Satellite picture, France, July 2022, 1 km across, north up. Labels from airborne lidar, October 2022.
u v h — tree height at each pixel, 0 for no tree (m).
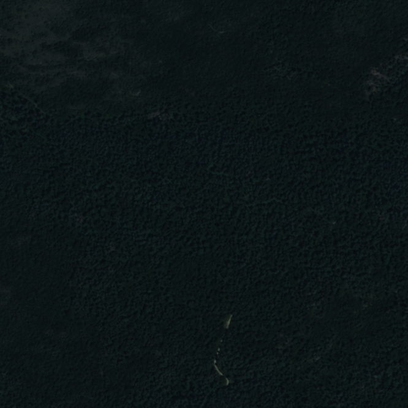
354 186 27
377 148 6
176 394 9
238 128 12
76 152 17
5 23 11
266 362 19
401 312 9
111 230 9
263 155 14
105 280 14
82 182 9
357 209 6
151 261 9
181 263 12
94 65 8
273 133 19
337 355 10
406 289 24
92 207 10
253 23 14
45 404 15
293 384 10
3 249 9
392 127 9
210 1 7
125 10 12
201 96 14
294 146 21
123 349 13
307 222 18
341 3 15
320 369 14
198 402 22
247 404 17
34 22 0
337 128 7
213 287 8
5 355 11
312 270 28
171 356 21
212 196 18
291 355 15
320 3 18
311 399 9
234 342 13
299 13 15
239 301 10
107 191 21
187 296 11
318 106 12
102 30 10
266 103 15
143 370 22
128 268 14
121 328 9
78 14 10
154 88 7
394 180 25
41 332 10
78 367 10
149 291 26
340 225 8
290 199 24
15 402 18
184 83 10
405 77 25
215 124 18
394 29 12
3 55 7
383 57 15
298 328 15
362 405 13
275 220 20
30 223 12
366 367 11
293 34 14
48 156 15
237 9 6
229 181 21
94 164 10
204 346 15
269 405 11
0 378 16
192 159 16
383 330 11
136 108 8
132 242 6
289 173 24
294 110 10
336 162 20
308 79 10
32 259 11
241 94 11
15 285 8
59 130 11
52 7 0
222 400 23
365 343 8
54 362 11
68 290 11
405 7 11
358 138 13
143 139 8
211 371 10
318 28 14
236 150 21
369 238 21
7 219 13
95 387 16
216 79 10
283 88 10
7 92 9
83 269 21
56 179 15
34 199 16
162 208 15
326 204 13
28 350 13
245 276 19
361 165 23
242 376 30
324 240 8
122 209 8
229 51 7
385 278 7
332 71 10
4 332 7
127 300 13
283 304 13
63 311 10
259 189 23
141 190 14
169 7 7
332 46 11
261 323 14
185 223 21
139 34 9
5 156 21
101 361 11
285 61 16
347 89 15
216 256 14
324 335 7
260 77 9
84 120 14
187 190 24
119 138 14
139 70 7
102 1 8
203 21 6
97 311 10
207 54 8
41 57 0
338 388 14
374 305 9
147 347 16
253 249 8
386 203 31
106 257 24
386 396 17
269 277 18
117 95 8
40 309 6
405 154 24
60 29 7
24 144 8
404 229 18
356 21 13
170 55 6
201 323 18
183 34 8
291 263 8
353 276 19
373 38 11
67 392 9
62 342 15
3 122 35
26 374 9
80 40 9
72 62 6
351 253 18
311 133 16
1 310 7
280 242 15
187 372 15
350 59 10
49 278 8
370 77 21
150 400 27
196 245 20
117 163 13
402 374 19
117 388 15
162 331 9
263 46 11
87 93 8
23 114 6
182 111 6
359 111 12
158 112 34
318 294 14
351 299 7
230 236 17
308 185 18
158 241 24
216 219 17
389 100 18
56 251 8
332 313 7
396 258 21
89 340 10
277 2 11
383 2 16
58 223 14
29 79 7
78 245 17
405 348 13
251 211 13
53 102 9
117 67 8
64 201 14
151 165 16
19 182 16
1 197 11
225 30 6
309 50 7
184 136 9
